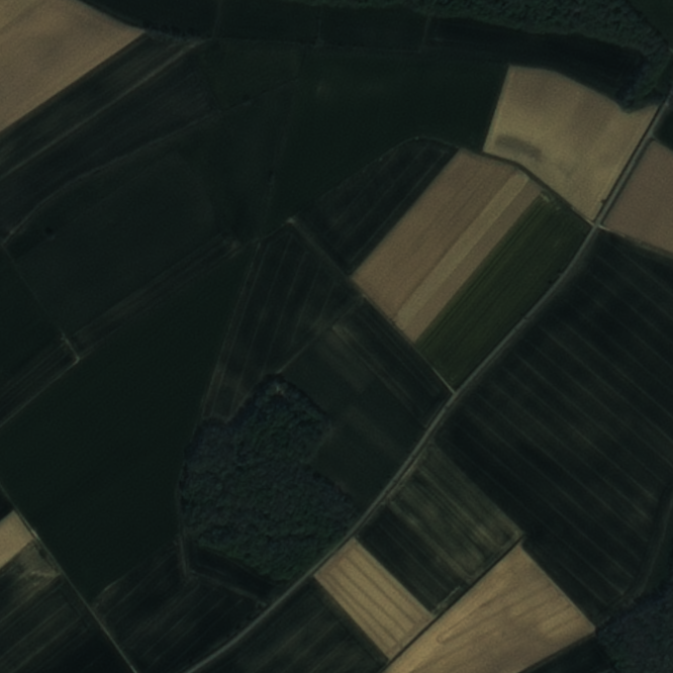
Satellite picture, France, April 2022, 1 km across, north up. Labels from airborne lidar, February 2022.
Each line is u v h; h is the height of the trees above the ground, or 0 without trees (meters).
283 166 0
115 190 0
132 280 0
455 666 0
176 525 0
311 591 0
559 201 0
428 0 24
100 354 0
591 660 0
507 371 0
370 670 0
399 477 0
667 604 19
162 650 0
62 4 0
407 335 0
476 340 0
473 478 0
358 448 0
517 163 0
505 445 0
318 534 25
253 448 31
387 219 0
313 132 0
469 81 0
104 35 0
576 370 0
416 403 0
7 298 0
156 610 0
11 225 0
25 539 0
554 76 0
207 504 21
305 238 0
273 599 0
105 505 0
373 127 0
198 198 0
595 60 0
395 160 0
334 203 0
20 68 0
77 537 0
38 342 0
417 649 0
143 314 0
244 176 0
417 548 0
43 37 0
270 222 0
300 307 0
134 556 0
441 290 0
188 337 0
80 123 0
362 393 0
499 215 0
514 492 0
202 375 0
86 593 0
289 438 28
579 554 0
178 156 0
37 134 0
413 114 0
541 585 0
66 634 0
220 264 0
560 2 27
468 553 0
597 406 0
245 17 0
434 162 0
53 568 0
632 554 0
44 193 0
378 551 0
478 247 0
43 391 0
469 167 0
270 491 27
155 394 0
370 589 0
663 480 0
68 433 0
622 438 0
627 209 0
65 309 0
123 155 0
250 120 0
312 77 0
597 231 0
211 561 0
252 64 0
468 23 0
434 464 0
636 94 22
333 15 0
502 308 0
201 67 0
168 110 0
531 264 0
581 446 0
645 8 0
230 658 0
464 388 0
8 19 0
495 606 0
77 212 0
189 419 0
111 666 0
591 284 0
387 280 0
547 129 0
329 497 29
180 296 0
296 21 0
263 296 0
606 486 0
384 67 0
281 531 26
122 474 0
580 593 0
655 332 0
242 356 0
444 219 0
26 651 0
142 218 0
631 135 0
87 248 0
